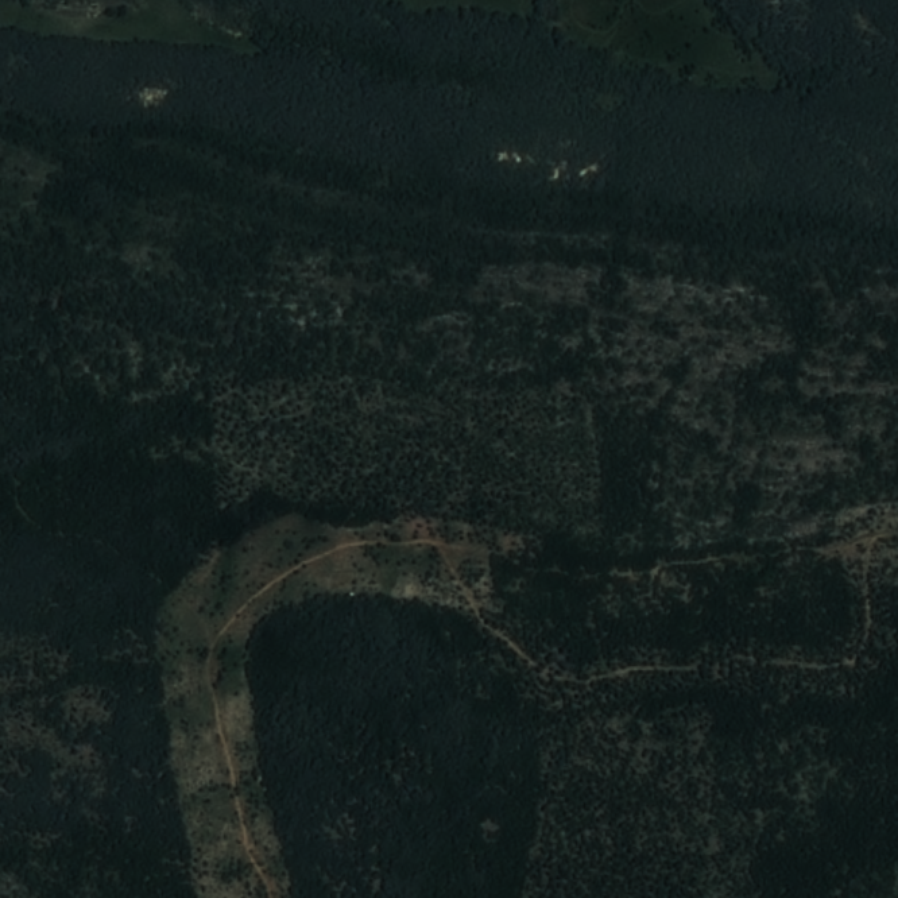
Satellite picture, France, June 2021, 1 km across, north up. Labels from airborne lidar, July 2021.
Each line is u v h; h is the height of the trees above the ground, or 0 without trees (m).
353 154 8
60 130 8
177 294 8
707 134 9
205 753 0
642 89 12
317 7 15
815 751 7
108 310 8
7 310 7
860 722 8
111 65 9
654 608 6
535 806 8
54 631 7
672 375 7
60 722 8
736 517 9
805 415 8
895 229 9
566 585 8
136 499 9
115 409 6
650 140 11
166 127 7
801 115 13
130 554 7
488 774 8
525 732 9
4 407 7
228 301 7
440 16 16
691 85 12
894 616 10
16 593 10
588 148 8
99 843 8
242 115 10
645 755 9
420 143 12
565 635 9
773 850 9
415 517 6
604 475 8
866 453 9
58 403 8
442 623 10
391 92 13
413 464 8
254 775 8
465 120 8
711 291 6
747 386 10
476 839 8
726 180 7
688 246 6
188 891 10
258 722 6
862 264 6
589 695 11
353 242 6
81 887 7
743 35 17
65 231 6
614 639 9
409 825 7
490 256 8
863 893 6
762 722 11
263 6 12
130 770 7
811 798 6
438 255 8
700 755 8
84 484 9
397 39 12
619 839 10
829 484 6
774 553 7
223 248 7
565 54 15
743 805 8
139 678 9
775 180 7
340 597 9
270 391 10
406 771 6
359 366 6
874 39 7
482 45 15
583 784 9
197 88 8
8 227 7
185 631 0
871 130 7
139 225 6
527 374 5
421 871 9
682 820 8
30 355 6
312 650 8
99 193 11
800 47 10
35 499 6
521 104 12
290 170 7
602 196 9
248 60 10
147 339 6
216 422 9
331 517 6
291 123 11
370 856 12
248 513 11
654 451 6
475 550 0
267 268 6
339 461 12
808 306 6
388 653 12
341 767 13
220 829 0
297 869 7
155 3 0
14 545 9
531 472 9
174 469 10
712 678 10
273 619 9
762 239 9
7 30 13
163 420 9
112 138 8
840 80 18
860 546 7
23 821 8
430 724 10
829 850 9
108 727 7
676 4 0
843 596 7
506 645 10
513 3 0
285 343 8
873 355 7
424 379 5
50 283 6
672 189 11
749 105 13
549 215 6
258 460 9
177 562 8
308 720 12
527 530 6
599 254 8
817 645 7
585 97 7
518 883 10
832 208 10
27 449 12
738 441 6
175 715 0
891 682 10
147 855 9
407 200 6
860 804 7
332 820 7
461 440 8
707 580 7
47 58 11
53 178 9
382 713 11
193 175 7
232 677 0
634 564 6
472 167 10
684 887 12
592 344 6
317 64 15
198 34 0
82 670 8
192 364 8
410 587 0
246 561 0
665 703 7
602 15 0
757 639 9
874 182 7
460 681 6
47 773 8
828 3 10
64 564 8
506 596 7
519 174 7
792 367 8
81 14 0
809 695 6
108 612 8
